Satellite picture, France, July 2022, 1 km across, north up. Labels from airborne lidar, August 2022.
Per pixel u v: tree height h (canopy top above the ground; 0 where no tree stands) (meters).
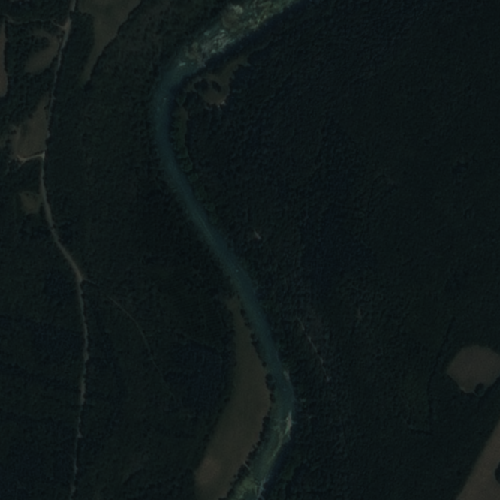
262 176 19
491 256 19
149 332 15
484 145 19
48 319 16
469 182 17
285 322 22
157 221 20
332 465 23
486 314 15
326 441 20
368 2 20
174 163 0
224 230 18
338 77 20
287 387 0
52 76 11
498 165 19
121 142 18
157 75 21
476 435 16
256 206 13
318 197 17
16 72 6
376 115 18
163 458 15
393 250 19
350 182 17
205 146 21
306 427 28
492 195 18
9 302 12
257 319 0
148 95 8
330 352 10
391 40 18
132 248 19
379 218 16
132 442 14
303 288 16
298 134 18
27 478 16
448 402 22
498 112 19
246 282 0
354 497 19
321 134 17
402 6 21
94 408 16
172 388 21
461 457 15
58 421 8
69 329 19
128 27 11
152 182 8
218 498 0
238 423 0
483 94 19
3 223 18
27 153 0
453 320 15
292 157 8
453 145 18
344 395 18
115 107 14
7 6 18
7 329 16
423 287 17
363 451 16
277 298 14
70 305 13
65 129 16
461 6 20
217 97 0
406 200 17
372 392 15
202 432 21
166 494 28
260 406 0
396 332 8
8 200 17
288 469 25
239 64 0
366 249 19
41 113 0
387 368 7
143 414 11
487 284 15
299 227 12
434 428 18
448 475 17
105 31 0
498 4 22
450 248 18
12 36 12
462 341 15
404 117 16
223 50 0
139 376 16
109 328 14
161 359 19
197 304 8
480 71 21
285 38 29
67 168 17
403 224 17
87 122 15
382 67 15
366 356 13
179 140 17
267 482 0
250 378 0
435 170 17
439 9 20
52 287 25
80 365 13
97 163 14
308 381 17
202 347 22
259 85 26
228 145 24
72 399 15
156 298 6
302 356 16
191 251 8
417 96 18
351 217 12
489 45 19
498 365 0
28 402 16
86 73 0
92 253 13
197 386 26
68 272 16
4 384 17
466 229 16
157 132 0
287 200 13
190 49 0
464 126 18
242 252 27
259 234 7
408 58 16
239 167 22
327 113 15
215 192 21
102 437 19
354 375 16
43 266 17
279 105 19
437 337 7
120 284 20
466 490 0
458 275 19
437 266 19
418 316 7
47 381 17
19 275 15
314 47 22
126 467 13
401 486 16
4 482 22
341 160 14
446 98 19
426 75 19
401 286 16
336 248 19
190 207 0
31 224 14
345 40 22
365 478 20
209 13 9
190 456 16
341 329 21
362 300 13
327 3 25
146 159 8
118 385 21
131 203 21
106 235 16
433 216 18
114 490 20
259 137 17
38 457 15
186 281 8
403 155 17
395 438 13
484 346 8
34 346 19
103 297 14
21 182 16
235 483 11
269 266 17
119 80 9
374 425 15
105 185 17
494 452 0
